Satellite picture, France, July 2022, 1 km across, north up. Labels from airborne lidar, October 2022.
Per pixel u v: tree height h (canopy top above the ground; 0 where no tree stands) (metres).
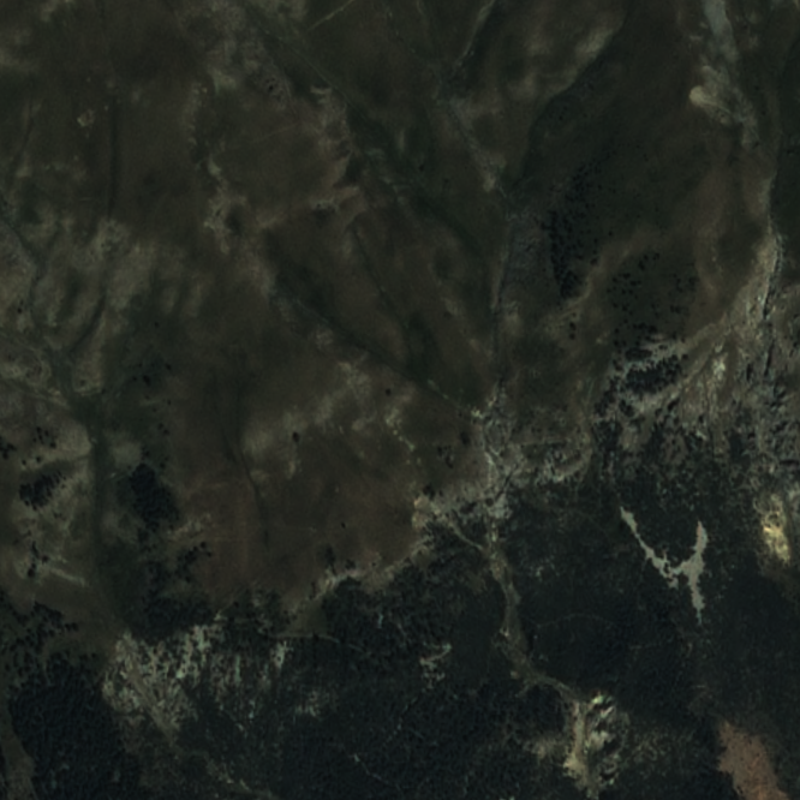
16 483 0
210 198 0
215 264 0
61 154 0
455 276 0
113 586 0
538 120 0
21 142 0
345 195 0
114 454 0
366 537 0
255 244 0
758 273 0
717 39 0
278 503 0
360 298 0
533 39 0
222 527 0
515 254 0
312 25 0
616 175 0
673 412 8
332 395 0
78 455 0
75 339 0
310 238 0
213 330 0
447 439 0
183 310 0
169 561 0
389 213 0
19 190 0
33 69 0
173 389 0
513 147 0
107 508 0
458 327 0
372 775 9
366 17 0
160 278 0
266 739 9
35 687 13
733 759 0
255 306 0
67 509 0
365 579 0
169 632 8
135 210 0
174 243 0
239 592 0
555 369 0
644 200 0
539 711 8
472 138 0
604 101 0
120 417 0
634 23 0
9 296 0
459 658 6
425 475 0
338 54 0
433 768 14
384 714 9
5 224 0
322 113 0
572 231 7
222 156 0
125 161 0
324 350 0
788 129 0
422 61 0
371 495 0
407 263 0
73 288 0
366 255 0
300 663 7
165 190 0
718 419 0
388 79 0
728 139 0
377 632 11
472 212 0
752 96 0
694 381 0
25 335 0
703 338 0
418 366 0
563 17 0
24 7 0
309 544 0
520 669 0
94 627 0
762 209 0
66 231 0
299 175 0
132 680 0
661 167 0
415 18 0
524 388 0
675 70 0
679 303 0
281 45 0
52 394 0
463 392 0
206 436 0
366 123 0
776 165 0
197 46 0
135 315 0
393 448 0
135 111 0
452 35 0
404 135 0
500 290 0
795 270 0
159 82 0
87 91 0
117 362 0
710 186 0
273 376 0
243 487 0
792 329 0
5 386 0
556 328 0
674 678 8
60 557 0
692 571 0
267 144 0
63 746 19
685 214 0
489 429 0
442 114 0
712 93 0
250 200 0
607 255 0
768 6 0
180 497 0
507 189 0
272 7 0
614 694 8
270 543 0
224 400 0
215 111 0
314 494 0
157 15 0
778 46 0
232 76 0
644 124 0
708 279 0
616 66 0
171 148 0
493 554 0
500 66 0
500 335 0
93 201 0
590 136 0
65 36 0
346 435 0
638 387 6
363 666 8
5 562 0
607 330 0
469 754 11
